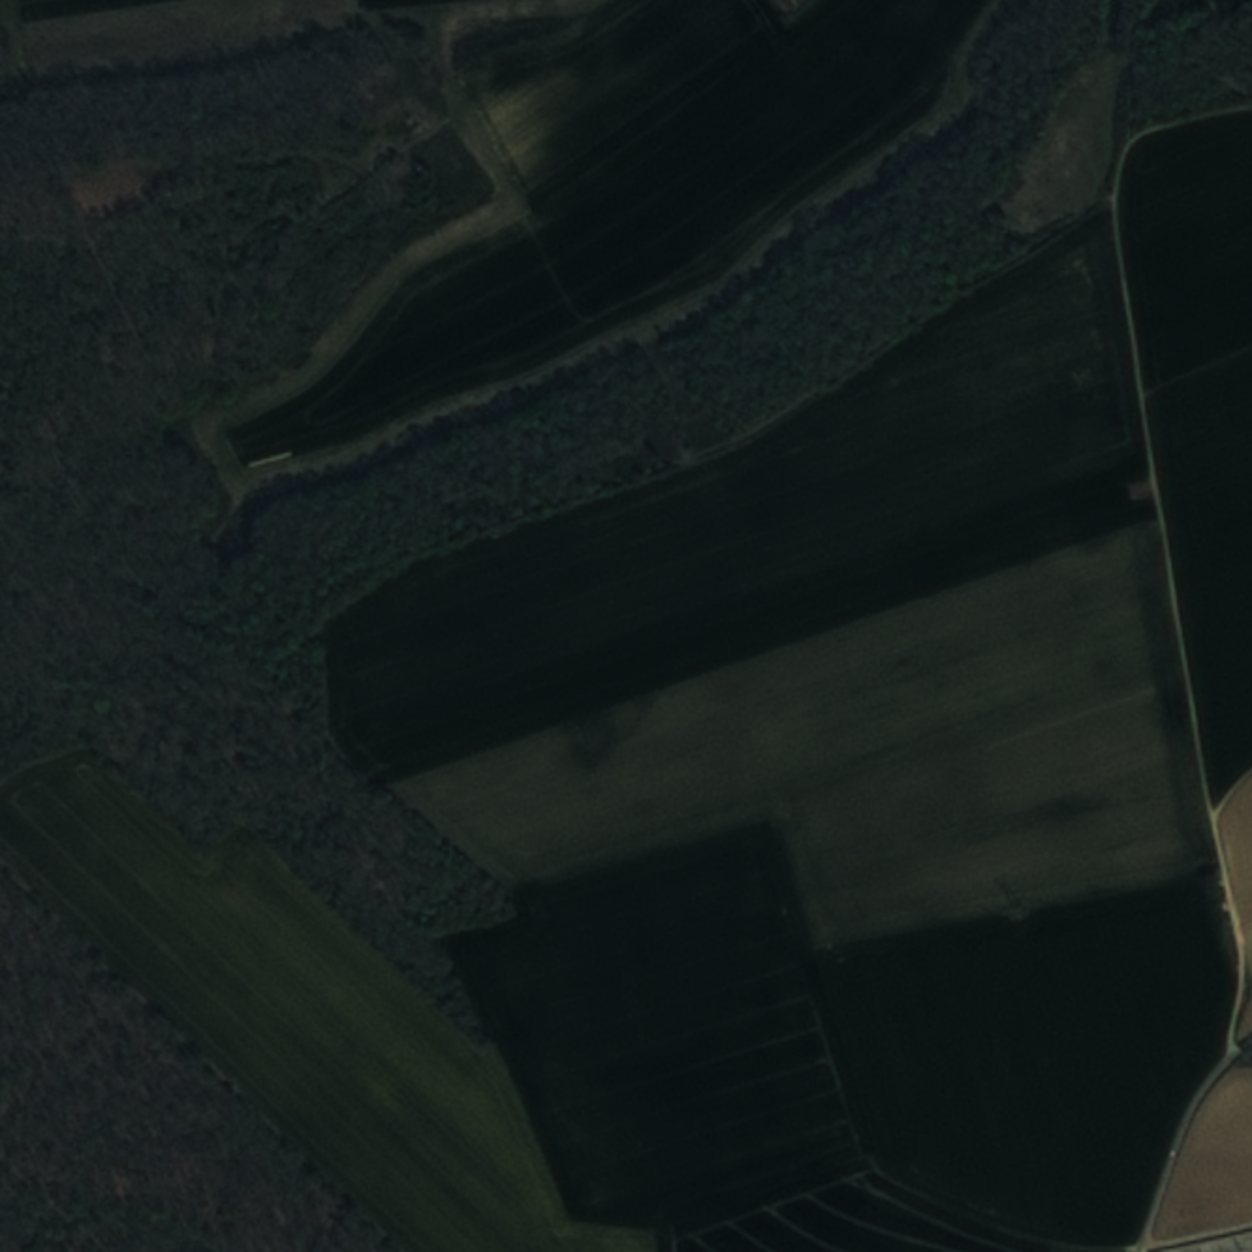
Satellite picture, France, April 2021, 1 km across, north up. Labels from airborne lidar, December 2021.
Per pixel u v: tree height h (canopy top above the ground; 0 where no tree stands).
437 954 16
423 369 0
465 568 0
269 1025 0
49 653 23
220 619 23
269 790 17
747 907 0
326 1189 16
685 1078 0
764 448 0
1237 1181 0
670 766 0
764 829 0
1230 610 0
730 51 0
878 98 0
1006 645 0
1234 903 0
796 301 22
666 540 0
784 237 0
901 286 17
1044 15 24
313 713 16
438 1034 0
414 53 16
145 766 20
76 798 0
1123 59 19
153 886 0
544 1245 0
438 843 12
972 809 0
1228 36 14
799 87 0
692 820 0
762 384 14
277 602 19
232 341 21
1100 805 0
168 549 21
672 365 18
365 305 0
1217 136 0
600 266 0
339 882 14
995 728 0
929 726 0
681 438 0
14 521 25
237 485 0
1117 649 0
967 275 13
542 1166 0
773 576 0
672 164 0
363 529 20
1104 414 0
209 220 17
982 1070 0
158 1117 19
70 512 23
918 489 0
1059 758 0
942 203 25
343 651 0
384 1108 0
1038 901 0
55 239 21
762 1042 0
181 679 24
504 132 0
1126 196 0
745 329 18
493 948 0
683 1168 0
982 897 0
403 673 0
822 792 0
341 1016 0
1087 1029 0
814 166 0
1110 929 0
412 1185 0
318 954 0
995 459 0
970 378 0
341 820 17
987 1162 0
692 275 0
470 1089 0
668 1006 0
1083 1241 0
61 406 19
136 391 23
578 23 0
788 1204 0
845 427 0
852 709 0
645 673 0
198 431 0
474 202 0
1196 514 0
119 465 29
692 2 0
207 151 18
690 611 0
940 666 0
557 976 0
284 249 16
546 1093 0
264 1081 0
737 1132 0
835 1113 0
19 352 17
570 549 0
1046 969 0
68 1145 20
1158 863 0
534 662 0
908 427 0
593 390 25
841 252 20
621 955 0
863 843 0
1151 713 0
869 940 0
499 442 25
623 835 0
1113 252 0
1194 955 0
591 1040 0
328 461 0
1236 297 0
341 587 16
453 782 0
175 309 18
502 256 0
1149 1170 0
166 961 0
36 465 24
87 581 22
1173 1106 0
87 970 18
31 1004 17
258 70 24
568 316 0
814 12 0
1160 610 0
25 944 13
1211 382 0
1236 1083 0
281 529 25
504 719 0
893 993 0
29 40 12
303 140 19
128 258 18
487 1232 0
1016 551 0
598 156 0
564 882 0
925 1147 0
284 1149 17
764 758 0
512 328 0
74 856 0
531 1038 0
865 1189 0
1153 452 0
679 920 0
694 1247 0
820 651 0
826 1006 0
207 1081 18
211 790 22
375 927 15
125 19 15
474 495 11
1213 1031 0
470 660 0
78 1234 21
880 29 0
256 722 18
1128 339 0
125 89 28
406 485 22
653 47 0
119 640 23
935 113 0
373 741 0
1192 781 0
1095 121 0
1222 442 0
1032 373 0
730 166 0
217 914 0
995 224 15
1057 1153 0
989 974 0
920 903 0
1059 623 0
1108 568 0
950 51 0
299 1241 17
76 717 24
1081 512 0
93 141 24
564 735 0
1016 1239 0
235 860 0
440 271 0
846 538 0
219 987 0
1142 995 0
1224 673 0
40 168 23
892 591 0
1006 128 21
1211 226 0
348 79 24
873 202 19
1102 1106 0
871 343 17
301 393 0
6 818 0
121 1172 19
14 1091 18
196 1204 19
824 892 0
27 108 28
